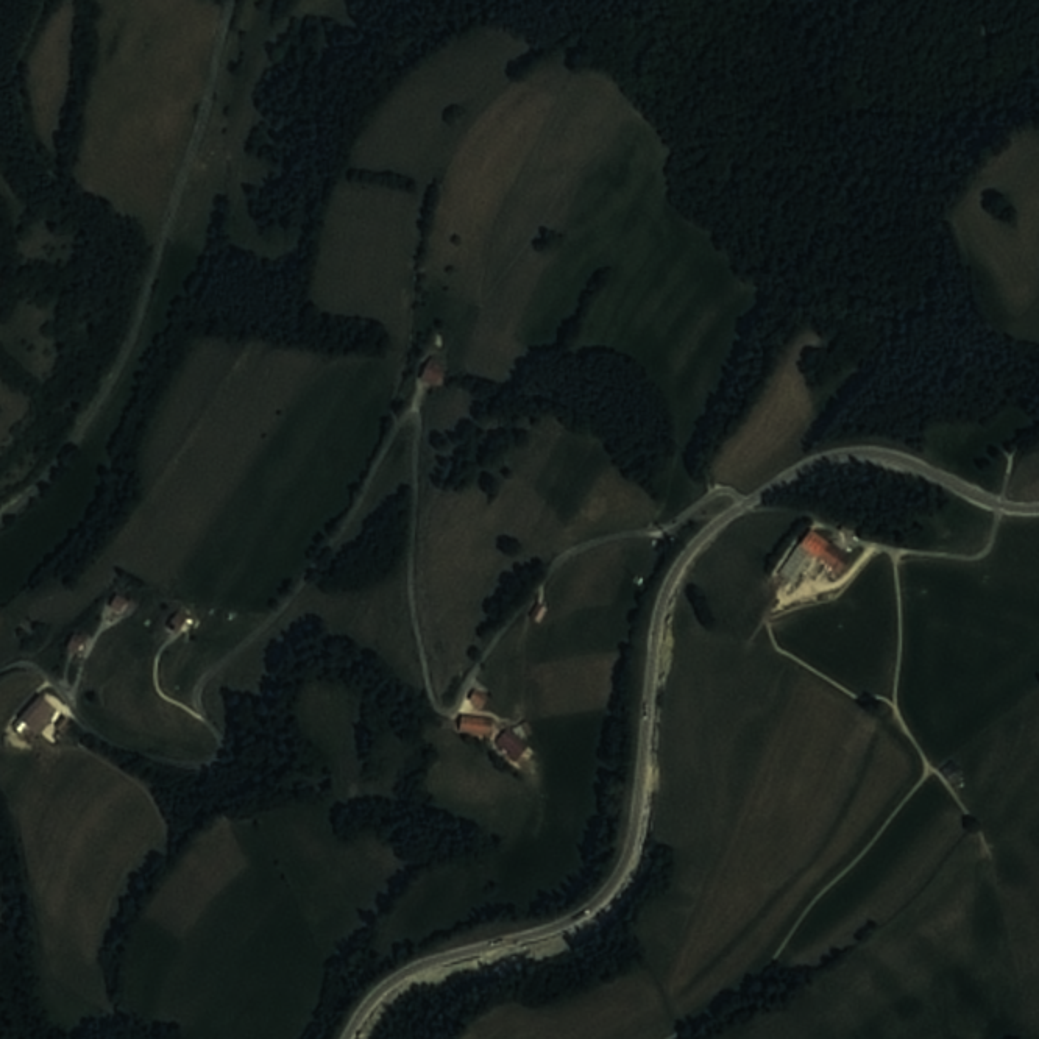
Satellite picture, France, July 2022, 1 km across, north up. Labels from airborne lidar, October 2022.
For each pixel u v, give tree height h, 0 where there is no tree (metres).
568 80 0
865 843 0
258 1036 0
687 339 0
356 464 0
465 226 0
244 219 0
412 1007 7
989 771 0
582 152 0
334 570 12
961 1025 0
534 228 0
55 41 0
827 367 15
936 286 26
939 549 0
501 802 0
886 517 24
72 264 7
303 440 0
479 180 0
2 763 0
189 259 0
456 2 17
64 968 0
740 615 0
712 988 0
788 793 0
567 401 23
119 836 0
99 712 0
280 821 0
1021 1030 0
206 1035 0
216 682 0
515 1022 0
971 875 0
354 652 22
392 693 22
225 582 0
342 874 0
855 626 0
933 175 18
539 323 0
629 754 16
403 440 0
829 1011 0
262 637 0
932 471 0
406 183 6
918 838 0
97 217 21
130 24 0
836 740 0
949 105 20
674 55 22
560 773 0
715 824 0
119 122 0
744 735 0
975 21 15
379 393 0
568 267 0
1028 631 0
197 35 0
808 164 12
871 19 21
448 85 0
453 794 0
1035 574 0
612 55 8
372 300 0
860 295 21
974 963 0
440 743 0
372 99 11
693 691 0
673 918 0
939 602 0
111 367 7
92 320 15
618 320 0
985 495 0
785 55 14
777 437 0
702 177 18
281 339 13
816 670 0
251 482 0
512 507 0
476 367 0
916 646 0
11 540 0
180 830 8
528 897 0
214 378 0
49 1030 6
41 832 0
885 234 26
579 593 0
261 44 0
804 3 8
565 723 0
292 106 16
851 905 0
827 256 22
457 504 0
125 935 18
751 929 0
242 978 0
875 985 0
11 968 11
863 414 27
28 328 0
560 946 0
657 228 0
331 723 0
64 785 0
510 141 0
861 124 15
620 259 0
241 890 0
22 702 0
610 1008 0
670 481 0
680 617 0
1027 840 0
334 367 0
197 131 0
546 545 0
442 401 0
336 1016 8
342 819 17
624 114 0
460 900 0
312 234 15
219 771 14
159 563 0
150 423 6
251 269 24
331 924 0
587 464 0
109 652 0
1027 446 13
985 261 0
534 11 21
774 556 8
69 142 25
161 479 0
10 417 0
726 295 0
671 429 22
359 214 0
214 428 0
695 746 0
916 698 0
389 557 12
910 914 0
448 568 0
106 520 12
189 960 0
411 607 0
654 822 0
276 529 0
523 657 0
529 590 17
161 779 6
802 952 0
